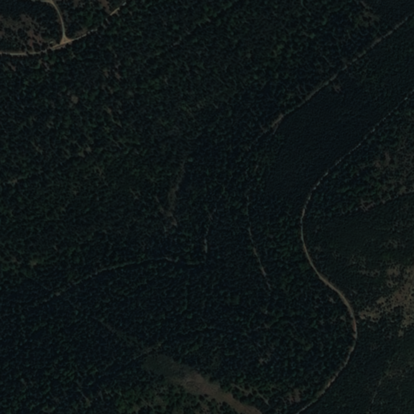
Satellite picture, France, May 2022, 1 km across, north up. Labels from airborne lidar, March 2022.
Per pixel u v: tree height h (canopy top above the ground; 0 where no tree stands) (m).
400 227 8
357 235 9
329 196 14
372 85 8
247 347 22
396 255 9
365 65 7
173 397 9
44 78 17
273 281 20
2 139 18
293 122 14
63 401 20
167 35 30
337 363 25
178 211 7
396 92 8
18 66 14
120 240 17
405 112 8
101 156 32
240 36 21
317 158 8
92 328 21
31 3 9
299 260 8
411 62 11
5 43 10
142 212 18
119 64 0
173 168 33
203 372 12
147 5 12
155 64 34
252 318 13
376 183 17
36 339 30
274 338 29
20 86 27
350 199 16
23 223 13
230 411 19
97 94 16
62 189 9
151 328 23
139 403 19
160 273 20
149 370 0
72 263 7
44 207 18
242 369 27
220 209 24
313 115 12
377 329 6
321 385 11
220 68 30
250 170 15
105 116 28
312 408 13
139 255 18
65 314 28
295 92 19
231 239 15
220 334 23
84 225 25
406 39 11
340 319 7
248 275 17
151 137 7
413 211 8
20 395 28
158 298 30
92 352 24
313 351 9
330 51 25
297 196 9
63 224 18
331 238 7
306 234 7
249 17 24
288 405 13
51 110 28
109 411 22
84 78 27
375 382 9
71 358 21
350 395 6
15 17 8
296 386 6
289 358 25
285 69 30
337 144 14
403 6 17
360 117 13
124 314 24
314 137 13
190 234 15
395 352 16
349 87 14
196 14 22
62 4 8
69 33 15
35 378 30
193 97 17
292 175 10
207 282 29
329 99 12
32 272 22
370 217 10
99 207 20
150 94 23
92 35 16
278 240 13
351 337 18
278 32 23
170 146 11
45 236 20
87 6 11
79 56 13
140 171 8
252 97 24
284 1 20
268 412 12
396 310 7
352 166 12
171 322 30
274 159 8
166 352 12
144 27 17
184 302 26
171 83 17
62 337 14
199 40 25
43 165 19
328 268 10
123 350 9
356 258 7
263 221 22
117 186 9
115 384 26
